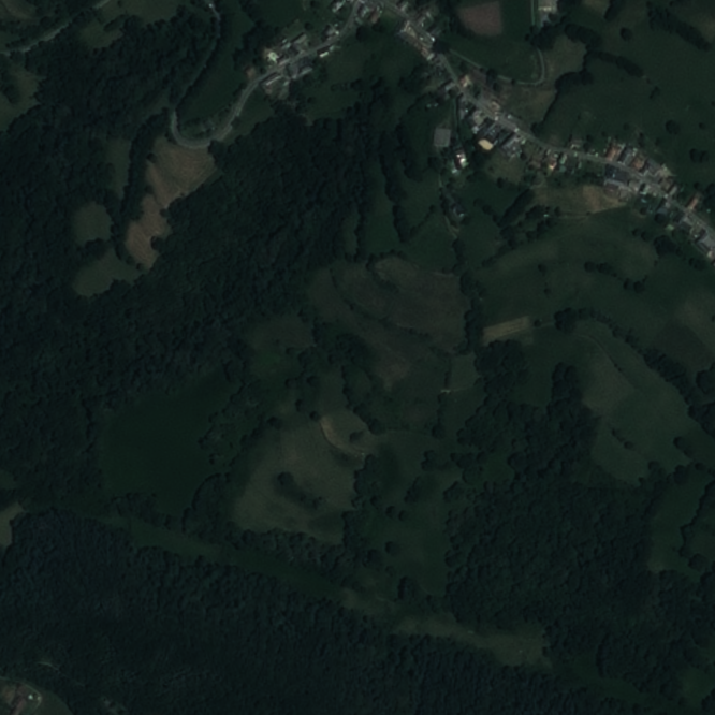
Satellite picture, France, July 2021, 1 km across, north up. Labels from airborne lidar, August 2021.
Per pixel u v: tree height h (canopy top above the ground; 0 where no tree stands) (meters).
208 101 0
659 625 18
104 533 29
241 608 37
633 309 0
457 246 14
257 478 0
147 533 0
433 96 9
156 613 23
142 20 19
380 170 0
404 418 0
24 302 21
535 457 24
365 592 10
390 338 0
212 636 19
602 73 0
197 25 32
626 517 14
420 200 0
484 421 16
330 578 15
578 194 0
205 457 0
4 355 24
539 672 10
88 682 19
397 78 0
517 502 26
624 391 0
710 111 0
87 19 27
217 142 10
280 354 0
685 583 25
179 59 23
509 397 21
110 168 9
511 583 22
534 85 7
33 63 27
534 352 0
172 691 19
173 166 0
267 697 26
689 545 10
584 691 10
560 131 0
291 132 23
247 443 23
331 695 26
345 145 22
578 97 0
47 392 20
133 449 0
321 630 25
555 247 0
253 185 20
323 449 0
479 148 12
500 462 0
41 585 36
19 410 13
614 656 28
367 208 28
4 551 19
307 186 23
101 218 0
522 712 29
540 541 21
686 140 0
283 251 11
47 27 15
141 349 27
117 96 26
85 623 21
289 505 0
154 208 0
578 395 27
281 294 25
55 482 24
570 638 18
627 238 0
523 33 0
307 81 23
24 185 23
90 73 33
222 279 25
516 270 0
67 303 25
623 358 0
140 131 13
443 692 26
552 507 24
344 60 0
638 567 25
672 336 0
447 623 0
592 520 20
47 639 20
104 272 0
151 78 23
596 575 28
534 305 0
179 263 28
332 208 24
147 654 25
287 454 0
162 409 0
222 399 0
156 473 0
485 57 0
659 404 0
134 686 19
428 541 0
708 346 0
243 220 27
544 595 25
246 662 22
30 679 16
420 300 0
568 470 25
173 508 0
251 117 0
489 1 0
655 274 0
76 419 31
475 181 11
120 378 26
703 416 21
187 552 0
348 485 0
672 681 26
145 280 14
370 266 11
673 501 0
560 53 0
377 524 0
